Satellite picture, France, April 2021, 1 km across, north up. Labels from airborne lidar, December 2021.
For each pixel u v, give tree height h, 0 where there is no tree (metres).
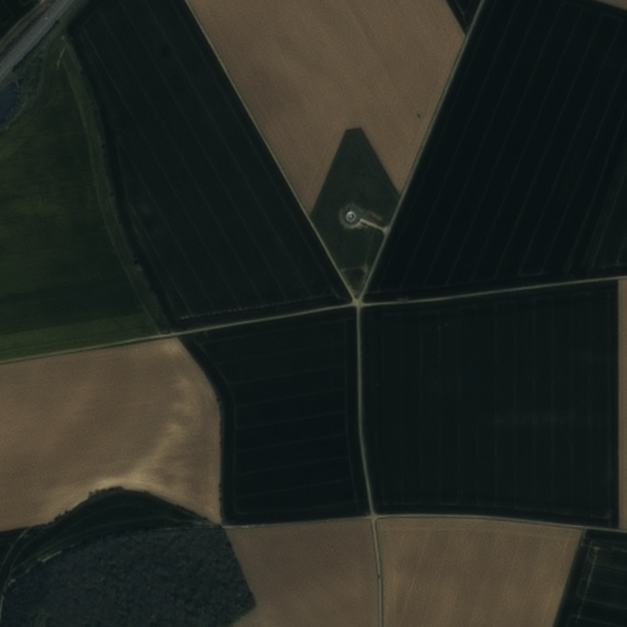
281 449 0
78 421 0
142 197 0
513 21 0
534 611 0
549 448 0
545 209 0
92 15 0
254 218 0
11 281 0
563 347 0
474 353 0
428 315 0
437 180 0
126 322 0
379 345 0
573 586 0
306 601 0
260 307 0
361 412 0
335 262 0
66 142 0
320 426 0
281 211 0
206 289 0
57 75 0
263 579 0
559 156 0
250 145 0
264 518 0
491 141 0
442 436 0
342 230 0
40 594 16
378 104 0
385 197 0
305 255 0
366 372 0
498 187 0
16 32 0
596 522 0
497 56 0
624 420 0
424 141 0
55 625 10
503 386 0
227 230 0
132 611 22
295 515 0
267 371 0
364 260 0
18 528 0
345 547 0
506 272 0
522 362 0
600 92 0
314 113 0
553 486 0
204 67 0
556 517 0
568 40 0
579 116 0
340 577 0
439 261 0
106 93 0
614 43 0
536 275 0
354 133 0
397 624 0
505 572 0
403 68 0
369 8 0
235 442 0
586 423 0
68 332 0
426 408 0
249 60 0
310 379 0
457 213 0
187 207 0
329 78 0
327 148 0
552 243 0
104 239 0
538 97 0
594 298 0
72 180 0
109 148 0
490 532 0
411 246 0
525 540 0
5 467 0
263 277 0
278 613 0
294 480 0
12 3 0
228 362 0
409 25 0
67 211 0
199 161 0
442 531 0
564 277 0
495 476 0
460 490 0
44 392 0
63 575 15
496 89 0
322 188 0
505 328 0
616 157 0
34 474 0
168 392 0
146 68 0
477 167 0
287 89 0
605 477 0
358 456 0
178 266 0
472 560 0
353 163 0
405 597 0
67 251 0
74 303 0
